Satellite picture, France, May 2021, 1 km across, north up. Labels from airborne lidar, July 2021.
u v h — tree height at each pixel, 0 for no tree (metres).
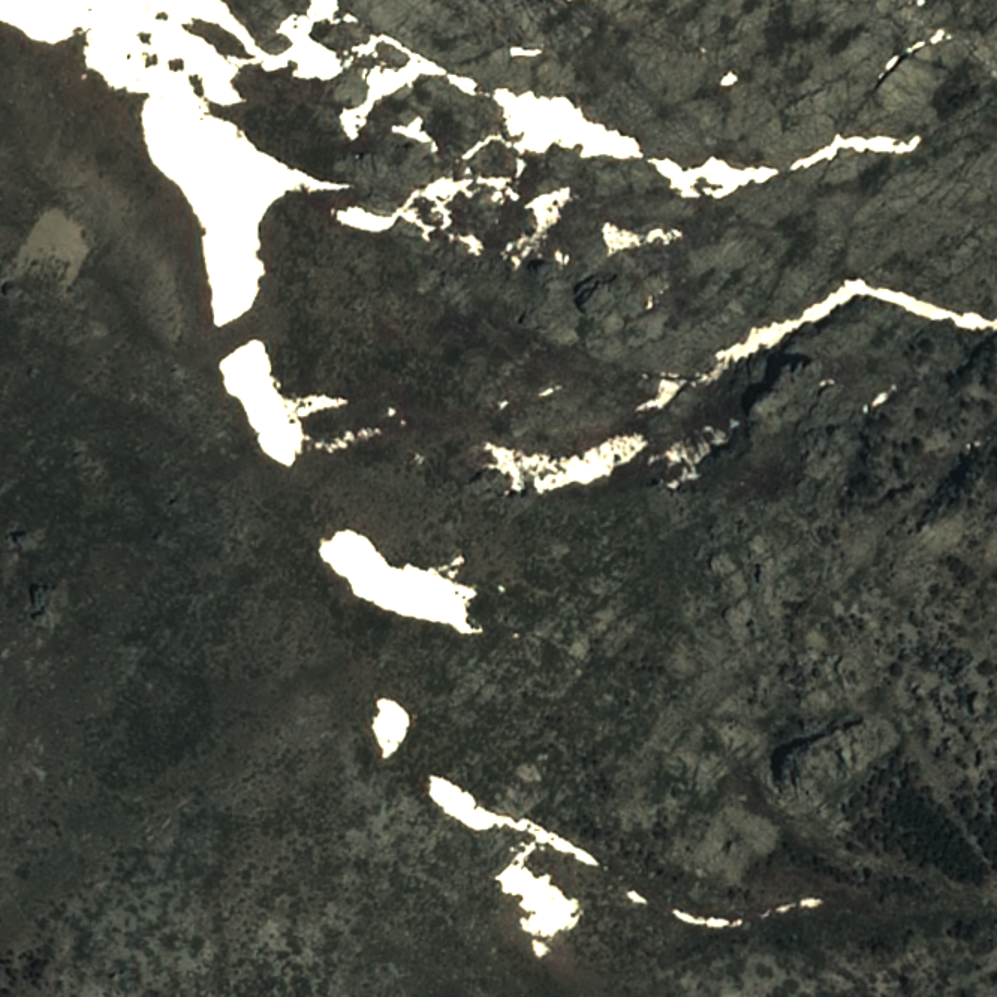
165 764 0
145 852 0
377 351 0
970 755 0
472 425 0
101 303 0
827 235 0
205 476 0
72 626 0
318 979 0
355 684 0
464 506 0
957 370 8
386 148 0
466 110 0
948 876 16
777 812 0
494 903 0
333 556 0
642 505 0
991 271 0
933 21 0
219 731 0
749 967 0
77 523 0
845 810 16
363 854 0
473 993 0
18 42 0
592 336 0
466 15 0
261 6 0
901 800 18
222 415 0
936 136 0
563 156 0
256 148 0
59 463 0
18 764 0
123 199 0
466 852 0
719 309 0
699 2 0
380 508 0
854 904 6
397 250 0
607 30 0
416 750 0
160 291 0
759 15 0
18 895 0
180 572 0
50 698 0
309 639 0
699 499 0
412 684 0
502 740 0
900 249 0
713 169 0
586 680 0
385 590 0
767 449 0
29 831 0
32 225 0
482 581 0
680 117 0
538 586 0
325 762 0
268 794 0
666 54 0
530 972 0
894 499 8
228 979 0
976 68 0
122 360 0
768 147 0
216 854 0
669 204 0
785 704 0
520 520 0
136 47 0
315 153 0
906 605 0
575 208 9
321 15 0
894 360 0
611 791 11
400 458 0
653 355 0
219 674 0
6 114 0
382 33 0
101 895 0
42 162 0
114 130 0
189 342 0
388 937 0
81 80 0
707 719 0
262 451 0
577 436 0
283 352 0
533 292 0
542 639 0
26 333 0
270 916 0
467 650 0
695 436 9
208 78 0
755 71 0
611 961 0
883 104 0
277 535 0
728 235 0
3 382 0
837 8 0
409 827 0
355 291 0
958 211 0
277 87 0
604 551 0
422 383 0
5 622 0
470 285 0
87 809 0
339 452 0
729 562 0
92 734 0
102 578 0
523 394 0
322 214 0
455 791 0
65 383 0
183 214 0
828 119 0
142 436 0
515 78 0
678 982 0
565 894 0
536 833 0
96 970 0
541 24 0
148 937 0
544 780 0
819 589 0
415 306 0
